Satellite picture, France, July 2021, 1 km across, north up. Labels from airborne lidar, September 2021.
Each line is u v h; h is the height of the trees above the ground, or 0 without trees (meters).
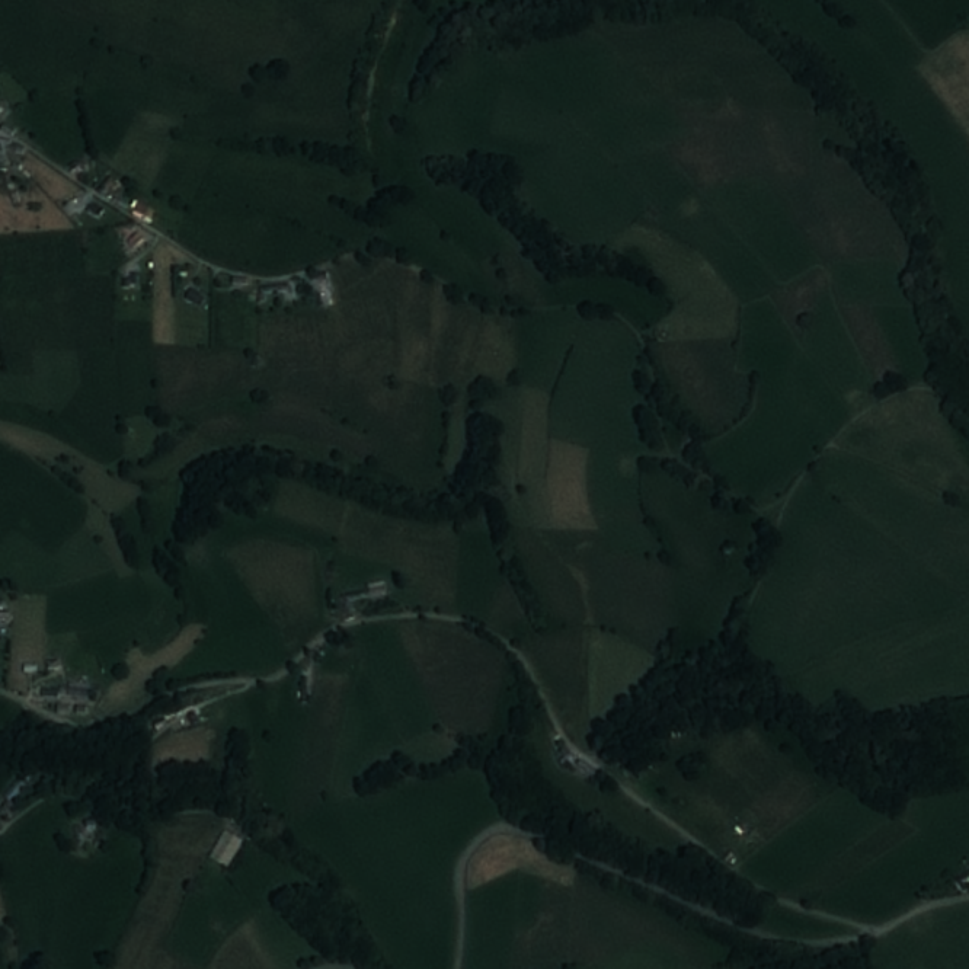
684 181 0
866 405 0
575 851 16
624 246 0
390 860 0
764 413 0
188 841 0
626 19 15
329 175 0
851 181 0
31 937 0
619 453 0
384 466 0
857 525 0
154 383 11
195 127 0
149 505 15
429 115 0
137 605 0
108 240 0
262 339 0
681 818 0
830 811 0
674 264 0
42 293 0
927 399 0
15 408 0
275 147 15
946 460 0
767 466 0
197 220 0
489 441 20
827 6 14
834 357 0
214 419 0
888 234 0
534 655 0
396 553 0
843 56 0
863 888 0
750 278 0
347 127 0
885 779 21
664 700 18
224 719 0
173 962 0
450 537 0
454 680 0
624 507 0
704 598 0
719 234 0
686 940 0
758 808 0
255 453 25
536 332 0
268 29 0
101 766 24
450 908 0
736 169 0
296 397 0
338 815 0
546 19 22
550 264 22
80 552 0
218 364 0
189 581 0
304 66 0
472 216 0
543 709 17
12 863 0
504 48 14
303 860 17
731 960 10
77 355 0
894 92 0
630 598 0
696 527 0
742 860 0
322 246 0
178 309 0
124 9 0
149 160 0
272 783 0
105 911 0
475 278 0
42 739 27
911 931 0
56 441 0
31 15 0
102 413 0
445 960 0
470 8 20
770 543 21
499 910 0
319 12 0
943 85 0
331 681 0
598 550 0
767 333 0
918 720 17
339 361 0
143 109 0
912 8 0
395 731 0
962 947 0
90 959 0
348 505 0
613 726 16
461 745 9
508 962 0
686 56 0
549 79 0
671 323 0
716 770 0
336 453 15
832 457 0
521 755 20
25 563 0
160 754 0
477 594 0
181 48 0
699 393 0
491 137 0
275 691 0
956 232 0
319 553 0
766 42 14
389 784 18
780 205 0
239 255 0
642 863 23
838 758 14
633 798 0
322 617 0
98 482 0
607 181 0
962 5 0
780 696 14
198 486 25
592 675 0
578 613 0
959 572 0
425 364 0
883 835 0
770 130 0
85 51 0
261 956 0
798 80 14
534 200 0
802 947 19
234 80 0
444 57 21
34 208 10
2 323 0
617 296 0
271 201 0
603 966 0
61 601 0
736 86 0
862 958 17
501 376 0
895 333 0
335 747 0
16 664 0
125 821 17
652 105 0
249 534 0
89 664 0
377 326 0
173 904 0
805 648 0
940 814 0
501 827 0
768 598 0
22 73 0
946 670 0
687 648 0
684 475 18
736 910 26
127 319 0
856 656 0
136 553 19
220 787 14
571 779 0
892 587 0
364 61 6
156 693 12
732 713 17
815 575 0
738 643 17
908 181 23
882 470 0
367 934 23
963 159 0
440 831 0
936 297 22
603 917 0
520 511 0
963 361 15
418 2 20
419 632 0
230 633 0
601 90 0
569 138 0
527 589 17
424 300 0
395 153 0
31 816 0
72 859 0
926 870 0
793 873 0
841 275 0
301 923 20
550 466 0
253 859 0
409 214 0
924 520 0
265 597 0
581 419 0
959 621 0
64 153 0
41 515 0
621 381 0
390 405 0
